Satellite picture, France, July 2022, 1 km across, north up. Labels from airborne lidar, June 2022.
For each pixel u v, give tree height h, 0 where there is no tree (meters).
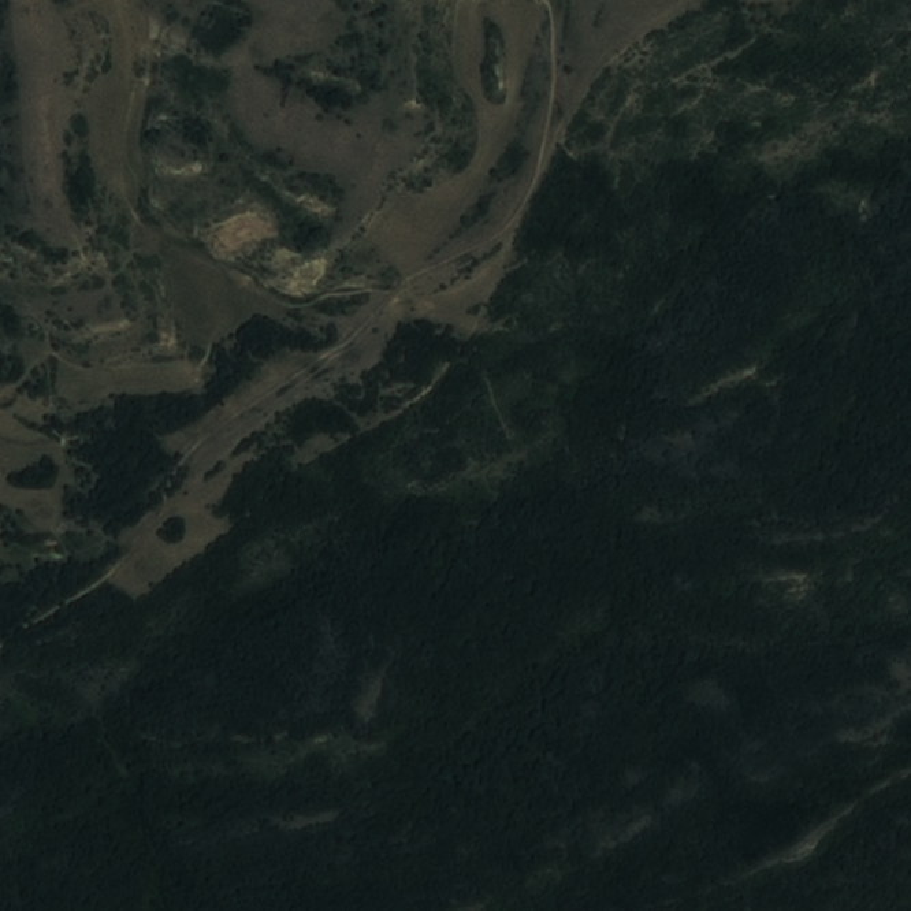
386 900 10
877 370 11
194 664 10
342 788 7
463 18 0
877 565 9
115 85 0
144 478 9
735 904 8
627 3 0
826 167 7
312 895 7
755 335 8
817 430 7
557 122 0
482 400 9
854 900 6
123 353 0
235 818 10
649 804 8
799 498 10
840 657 9
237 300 0
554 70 0
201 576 9
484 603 9
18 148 0
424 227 0
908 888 6
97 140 0
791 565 8
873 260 14
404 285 0
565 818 10
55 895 8
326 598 15
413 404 8
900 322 9
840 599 9
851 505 10
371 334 0
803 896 11
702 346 7
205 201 0
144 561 0
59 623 6
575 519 10
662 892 10
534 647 13
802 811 8
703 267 6
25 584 7
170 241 0
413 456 10
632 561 12
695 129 0
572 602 11
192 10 0
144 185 0
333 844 9
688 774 6
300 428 9
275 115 0
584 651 11
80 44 0
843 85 7
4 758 14
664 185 9
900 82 6
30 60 0
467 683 10
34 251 0
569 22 0
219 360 7
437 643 13
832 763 5
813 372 10
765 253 6
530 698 13
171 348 0
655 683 14
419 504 12
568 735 13
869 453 11
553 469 10
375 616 10
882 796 8
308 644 11
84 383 0
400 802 9
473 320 0
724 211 11
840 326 6
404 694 7
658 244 13
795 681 10
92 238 6
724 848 7
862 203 0
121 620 10
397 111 0
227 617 10
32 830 10
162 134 7
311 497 9
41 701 9
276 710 7
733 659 10
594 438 12
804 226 8
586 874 8
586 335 8
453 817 9
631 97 0
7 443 0
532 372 5
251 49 0
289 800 10
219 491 0
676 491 9
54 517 0
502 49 0
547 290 6
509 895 8
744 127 8
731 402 7
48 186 0
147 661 9
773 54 8
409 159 0
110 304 0
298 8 0
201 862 11
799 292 8
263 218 0
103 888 14
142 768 7
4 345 0
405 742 9
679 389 8
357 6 9
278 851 9
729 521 9
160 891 11
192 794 10
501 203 0
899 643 8
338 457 7
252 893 9
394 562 13
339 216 0
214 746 6
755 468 6
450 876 7
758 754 6
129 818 12
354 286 0
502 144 0
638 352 9
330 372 0
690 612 13
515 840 13
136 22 0
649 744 13
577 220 8
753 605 11
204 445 0
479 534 8
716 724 10
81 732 15
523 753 16
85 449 8
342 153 0
